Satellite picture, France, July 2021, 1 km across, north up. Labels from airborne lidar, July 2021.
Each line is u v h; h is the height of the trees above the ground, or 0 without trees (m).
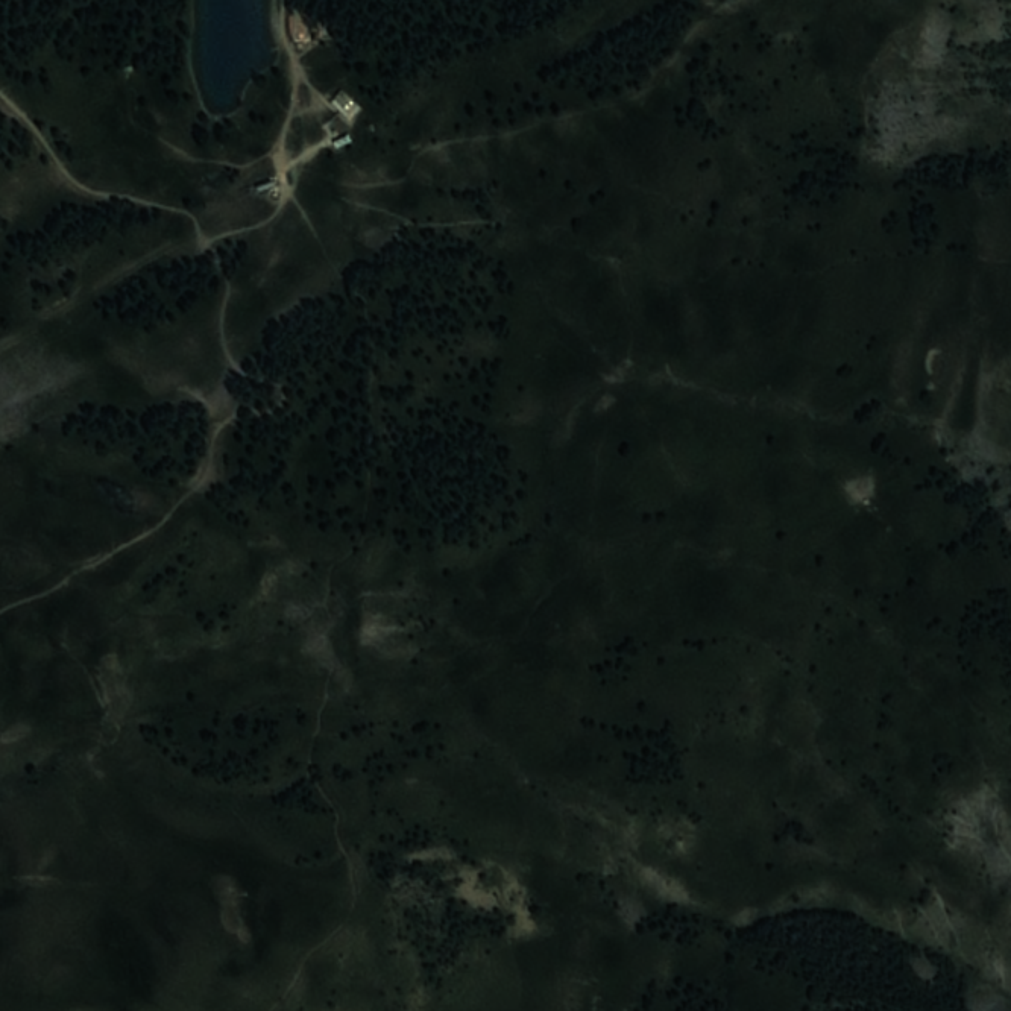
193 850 0
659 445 0
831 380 0
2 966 0
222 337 0
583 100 0
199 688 0
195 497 0
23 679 0
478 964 0
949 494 7
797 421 0
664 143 0
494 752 0
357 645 0
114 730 0
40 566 0
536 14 20
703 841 0
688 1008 11
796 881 0
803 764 0
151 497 0
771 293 0
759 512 0
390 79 17
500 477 22
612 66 19
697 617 0
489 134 0
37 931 0
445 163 0
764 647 0
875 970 14
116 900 0
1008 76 8
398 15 22
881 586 0
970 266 0
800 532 0
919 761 0
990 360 0
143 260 0
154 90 0
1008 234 0
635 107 0
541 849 0
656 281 0
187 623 0
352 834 0
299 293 0
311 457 0
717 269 0
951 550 12
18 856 0
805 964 10
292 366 16
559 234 0
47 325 0
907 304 0
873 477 0
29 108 0
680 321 0
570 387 0
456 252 22
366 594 0
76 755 0
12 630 0
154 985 0
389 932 0
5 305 0
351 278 22
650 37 24
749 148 0
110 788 0
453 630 0
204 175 0
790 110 0
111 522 0
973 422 0
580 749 0
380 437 18
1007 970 0
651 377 0
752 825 0
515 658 0
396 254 22
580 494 0
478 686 0
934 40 0
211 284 19
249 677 0
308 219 0
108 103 0
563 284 0
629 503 0
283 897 0
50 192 0
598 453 0
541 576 0
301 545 0
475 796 0
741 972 0
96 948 0
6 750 0
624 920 0
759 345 0
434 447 23
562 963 0
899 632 0
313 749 0
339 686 0
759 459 0
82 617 0
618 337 0
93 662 0
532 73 0
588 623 0
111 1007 0
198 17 0
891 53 0
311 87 0
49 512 0
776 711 0
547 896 0
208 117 17
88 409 18
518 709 0
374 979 0
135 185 0
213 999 0
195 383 0
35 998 0
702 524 0
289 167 0
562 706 0
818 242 0
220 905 0
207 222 0
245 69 0
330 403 19
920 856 0
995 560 0
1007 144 10
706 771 0
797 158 10
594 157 0
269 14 0
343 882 0
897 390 0
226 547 0
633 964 0
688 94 0
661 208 0
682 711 0
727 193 0
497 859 0
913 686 0
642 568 0
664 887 0
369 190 0
